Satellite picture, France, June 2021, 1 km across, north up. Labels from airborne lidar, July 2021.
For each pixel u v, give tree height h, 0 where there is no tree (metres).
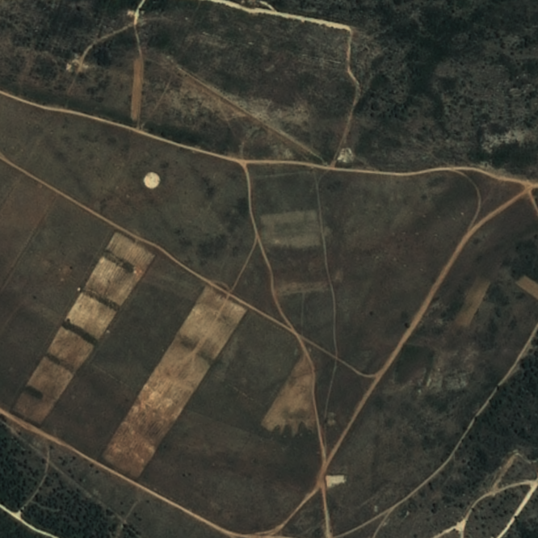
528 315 0
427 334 0
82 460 0
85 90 0
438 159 0
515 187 0
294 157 0
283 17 0
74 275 0
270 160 0
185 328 0
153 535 0
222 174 0
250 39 0
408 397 0
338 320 0
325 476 0
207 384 0
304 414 0
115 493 0
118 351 0
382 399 0
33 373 0
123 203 0
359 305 0
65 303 0
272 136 0
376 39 0
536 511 0
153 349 0
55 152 0
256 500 0
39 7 0
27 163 0
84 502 11
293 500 0
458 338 0
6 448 11
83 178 0
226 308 0
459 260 0
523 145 0
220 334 0
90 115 0
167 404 0
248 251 0
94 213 0
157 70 0
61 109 0
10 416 0
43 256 0
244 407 0
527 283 0
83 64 0
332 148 0
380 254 0
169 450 0
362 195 0
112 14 0
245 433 0
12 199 0
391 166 0
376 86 0
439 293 0
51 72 0
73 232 0
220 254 0
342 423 0
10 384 0
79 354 0
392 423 0
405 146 0
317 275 0
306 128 0
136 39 0
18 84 0
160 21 0
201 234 0
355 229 0
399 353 0
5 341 0
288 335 0
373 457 0
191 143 0
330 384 0
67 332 0
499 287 0
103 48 8
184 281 0
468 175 0
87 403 0
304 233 0
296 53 0
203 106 0
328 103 0
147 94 0
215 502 0
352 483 0
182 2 0
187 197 0
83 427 0
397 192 0
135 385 0
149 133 0
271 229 0
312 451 0
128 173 0
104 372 0
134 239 0
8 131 0
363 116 0
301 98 0
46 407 0
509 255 0
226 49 0
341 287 0
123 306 0
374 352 0
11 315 0
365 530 0
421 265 0
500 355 0
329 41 0
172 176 0
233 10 0
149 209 0
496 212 0
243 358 0
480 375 0
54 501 12
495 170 0
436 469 0
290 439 0
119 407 0
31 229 0
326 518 0
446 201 0
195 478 0
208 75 0
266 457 0
